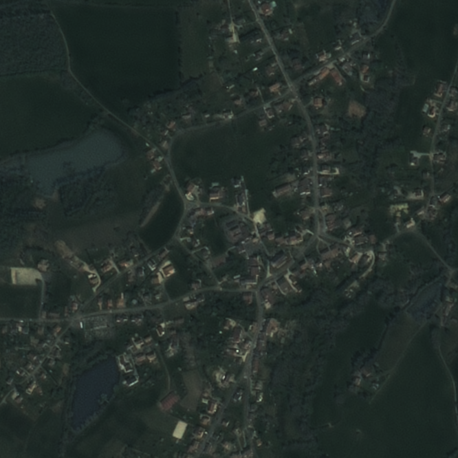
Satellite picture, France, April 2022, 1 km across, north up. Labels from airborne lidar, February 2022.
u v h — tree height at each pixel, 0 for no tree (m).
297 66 0
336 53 0
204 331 15
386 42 0
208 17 0
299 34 0
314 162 0
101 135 0
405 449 0
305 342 19
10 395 0
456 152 0
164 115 0
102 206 9
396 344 0
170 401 0
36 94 0
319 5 0
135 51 0
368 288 10
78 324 0
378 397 0
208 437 0
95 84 0
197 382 0
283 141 0
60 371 0
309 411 19
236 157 0
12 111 0
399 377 0
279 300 0
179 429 0
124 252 0
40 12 0
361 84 0
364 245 6
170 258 0
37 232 15
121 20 0
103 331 0
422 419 0
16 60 14
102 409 13
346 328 17
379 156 17
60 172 0
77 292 0
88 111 0
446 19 0
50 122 0
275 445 0
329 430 0
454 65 0
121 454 0
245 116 0
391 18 0
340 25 18
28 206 7
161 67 0
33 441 0
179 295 0
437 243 0
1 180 14
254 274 0
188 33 0
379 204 0
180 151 0
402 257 14
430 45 0
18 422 0
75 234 0
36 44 14
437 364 0
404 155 0
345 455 0
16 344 9
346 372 0
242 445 0
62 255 0
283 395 17
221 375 0
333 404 0
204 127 0
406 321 0
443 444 0
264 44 0
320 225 0
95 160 0
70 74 16
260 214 0
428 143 0
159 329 0
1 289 0
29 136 0
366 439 0
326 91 0
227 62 21
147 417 0
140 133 0
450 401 0
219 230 0
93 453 0
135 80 0
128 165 0
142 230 0
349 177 0
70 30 0
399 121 0
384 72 0
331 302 24
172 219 0
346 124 11
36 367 0
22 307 0
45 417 0
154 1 0
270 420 18
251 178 0
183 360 6
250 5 0
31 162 0
